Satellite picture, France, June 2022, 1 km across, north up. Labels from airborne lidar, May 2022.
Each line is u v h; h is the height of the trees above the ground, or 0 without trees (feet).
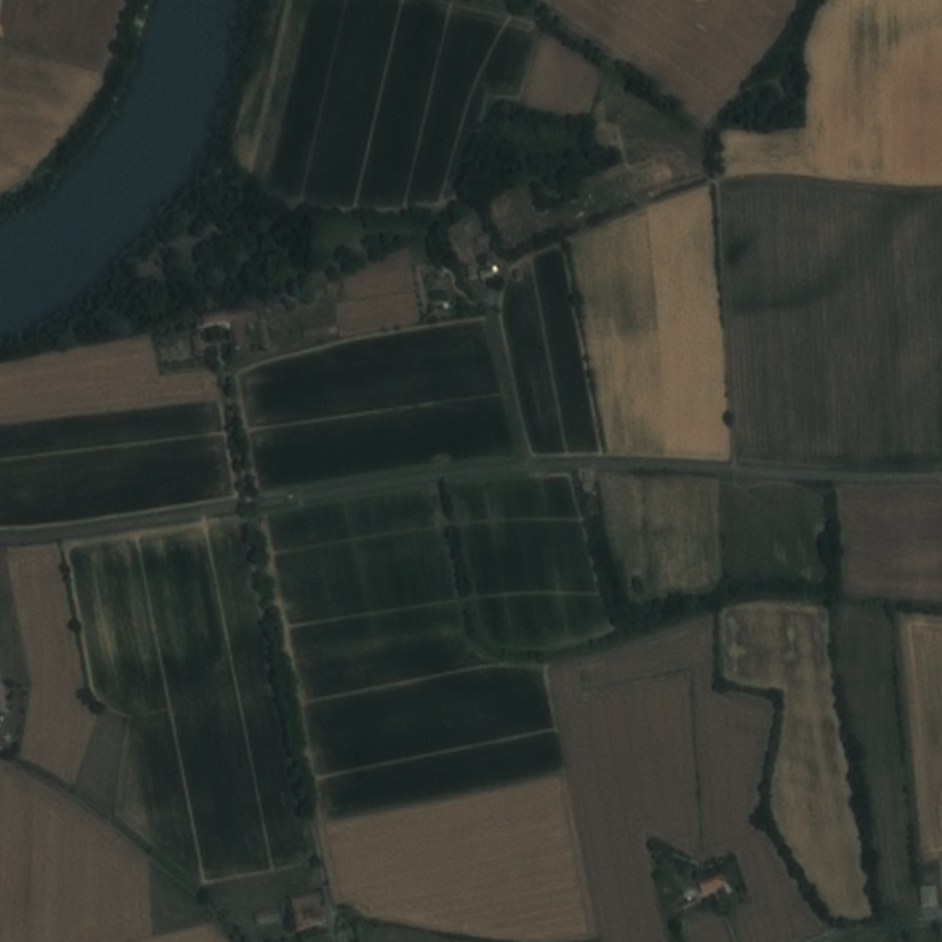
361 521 0
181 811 0
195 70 0
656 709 0
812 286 0
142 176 0
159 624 0
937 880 0
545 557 0
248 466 42
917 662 0
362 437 0
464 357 0
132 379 0
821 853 0
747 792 0
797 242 0
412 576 0
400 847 0
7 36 0
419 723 0
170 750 0
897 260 0
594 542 23
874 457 0
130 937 0
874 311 0
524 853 0
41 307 0
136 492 0
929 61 0
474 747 0
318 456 0
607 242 0
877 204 0
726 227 0
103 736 0
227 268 55
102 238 0
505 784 0
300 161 0
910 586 0
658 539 0
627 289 0
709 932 0
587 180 0
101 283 46
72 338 52
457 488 0
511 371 0
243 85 38
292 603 0
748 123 78
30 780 0
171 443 0
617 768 0
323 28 0
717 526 0
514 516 0
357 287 0
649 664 0
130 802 0
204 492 0
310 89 0
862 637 0
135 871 0
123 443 0
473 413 0
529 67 0
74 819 0
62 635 0
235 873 0
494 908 0
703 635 0
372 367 0
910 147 0
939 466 0
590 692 0
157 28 0
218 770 0
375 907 0
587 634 0
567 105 0
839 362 0
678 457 0
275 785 0
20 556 0
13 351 64
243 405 0
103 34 0
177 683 0
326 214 20
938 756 0
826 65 0
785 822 0
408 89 0
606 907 0
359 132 0
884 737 0
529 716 0
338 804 0
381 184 0
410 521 0
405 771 0
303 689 0
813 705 0
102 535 0
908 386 0
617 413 0
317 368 0
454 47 0
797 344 0
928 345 0
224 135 97
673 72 0
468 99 0
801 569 0
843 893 0
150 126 0
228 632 0
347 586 0
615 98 0
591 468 0
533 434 0
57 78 0
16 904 0
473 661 0
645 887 0
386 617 0
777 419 0
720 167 22
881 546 0
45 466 0
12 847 0
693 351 0
